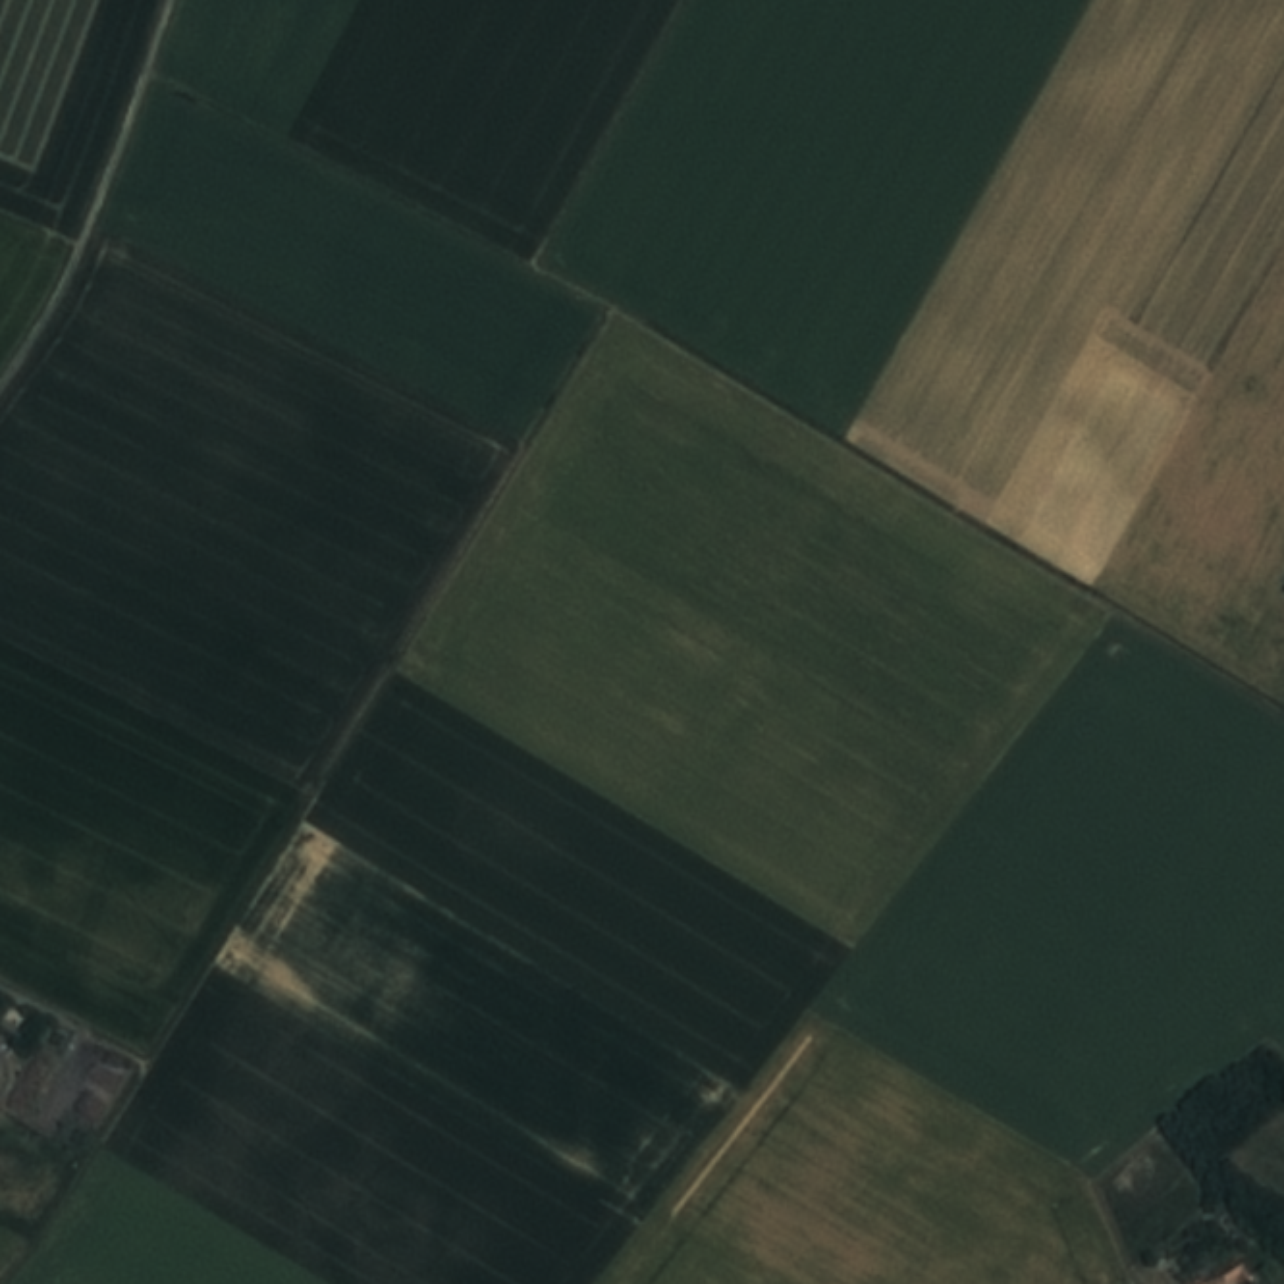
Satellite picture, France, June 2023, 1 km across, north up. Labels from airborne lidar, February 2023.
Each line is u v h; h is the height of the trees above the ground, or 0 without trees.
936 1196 0
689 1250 0
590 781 0
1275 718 0
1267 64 0
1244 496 0
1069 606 0
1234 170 0
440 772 0
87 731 0
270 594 0
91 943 0
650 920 0
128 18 0
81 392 0
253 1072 0
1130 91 0
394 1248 0
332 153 0
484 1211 0
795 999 0
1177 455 0
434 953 0
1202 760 0
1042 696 0
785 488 0
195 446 0
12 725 0
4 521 0
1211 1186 16
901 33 0
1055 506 0
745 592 0
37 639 0
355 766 0
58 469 0
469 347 0
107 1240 0
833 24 0
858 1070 0
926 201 0
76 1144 0
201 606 0
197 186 0
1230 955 0
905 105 0
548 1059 0
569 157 0
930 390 0
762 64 0
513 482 0
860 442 0
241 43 0
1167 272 0
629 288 0
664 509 0
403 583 0
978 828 0
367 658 0
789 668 0
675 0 0
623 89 0
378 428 0
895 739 0
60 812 0
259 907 0
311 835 0
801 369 0
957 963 0
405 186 0
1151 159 0
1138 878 0
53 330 0
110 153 0
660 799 0
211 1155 0
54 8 0
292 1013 0
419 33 0
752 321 0
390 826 0
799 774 0
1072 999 0
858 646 0
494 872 0
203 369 0
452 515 0
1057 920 0
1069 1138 0
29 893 0
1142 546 0
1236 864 0
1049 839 0
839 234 0
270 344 0
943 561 0
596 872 0
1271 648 0
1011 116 0
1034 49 0
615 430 0
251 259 0
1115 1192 0
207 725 0
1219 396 0
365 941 0
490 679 0
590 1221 0
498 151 0
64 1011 0
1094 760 0
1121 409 0
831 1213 0
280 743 0
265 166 0
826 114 0
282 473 0
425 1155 0
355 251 0
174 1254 0
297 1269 0
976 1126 0
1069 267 0
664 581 0
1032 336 0
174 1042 0
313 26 0
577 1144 0
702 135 0
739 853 0
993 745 0
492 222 0
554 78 0
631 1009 0
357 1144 0
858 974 0
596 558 0
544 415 0
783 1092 0
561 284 0
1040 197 0
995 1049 0
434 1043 0
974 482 0
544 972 0
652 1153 0
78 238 0
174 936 0
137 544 0
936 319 0
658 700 0
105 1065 0
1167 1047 0
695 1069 0
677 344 0
